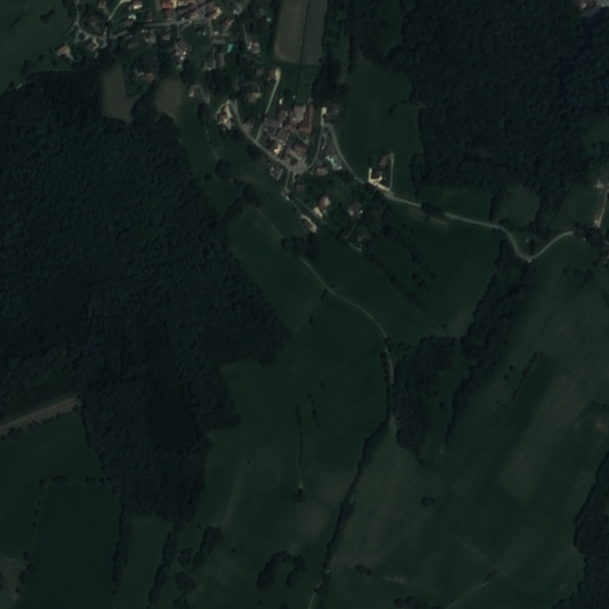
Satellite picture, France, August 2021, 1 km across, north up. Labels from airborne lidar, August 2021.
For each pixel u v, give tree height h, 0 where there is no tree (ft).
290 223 0
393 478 0
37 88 50
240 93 58
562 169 108
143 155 87
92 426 74
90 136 62
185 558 35
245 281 93
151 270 81
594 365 0
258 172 0
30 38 0
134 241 89
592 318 0
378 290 0
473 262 0
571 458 0
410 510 0
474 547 0
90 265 36
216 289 87
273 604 0
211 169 0
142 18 31
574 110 84
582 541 63
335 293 0
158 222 69
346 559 0
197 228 70
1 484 0
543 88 116
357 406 0
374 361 0
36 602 0
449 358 80
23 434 38
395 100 0
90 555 0
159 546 0
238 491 0
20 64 0
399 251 0
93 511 0
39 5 0
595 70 107
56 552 0
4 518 0
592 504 57
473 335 62
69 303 50
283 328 70
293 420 0
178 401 46
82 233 69
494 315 80
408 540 0
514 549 0
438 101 71
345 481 0
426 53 86
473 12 72
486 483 0
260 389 0
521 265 61
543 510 0
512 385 0
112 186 79
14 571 0
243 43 46
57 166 92
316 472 0
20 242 68
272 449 0
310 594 0
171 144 67
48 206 72
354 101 0
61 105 54
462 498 0
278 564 65
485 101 99
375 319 0
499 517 0
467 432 0
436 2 100
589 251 0
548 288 0
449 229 0
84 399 54
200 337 86
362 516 0
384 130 0
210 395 90
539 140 79
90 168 87
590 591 63
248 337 89
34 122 58
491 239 0
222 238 64
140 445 95
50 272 67
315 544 0
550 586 0
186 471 88
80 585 0
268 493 0
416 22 107
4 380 93
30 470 0
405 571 0
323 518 0
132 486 58
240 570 0
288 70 0
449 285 0
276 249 0
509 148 45
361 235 0
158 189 76
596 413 0
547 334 0
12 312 80
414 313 0
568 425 0
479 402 0
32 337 43
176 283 96
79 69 77
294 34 0
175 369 46
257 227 0
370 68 0
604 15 56
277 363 66
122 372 48
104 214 76
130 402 100
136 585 0
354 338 0
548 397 0
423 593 0
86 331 51
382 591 0
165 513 60
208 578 0
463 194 0
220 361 91
